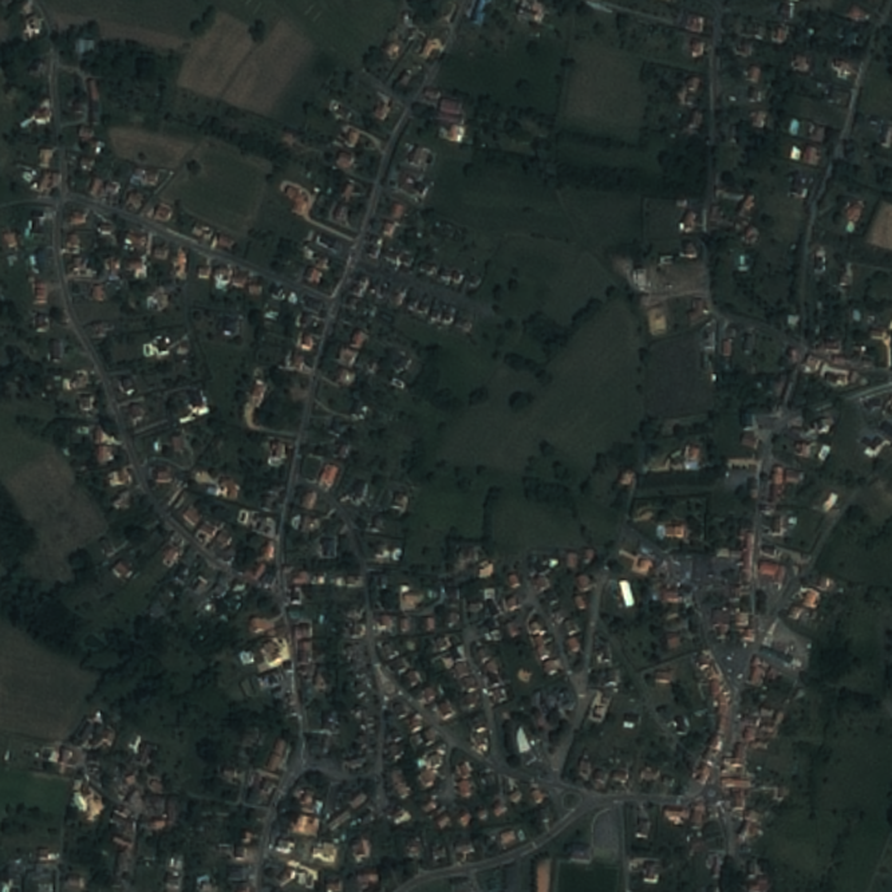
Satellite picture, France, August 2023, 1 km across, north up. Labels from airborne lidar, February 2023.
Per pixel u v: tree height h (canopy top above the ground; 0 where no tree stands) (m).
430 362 6
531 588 0
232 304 13
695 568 0
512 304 0
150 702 24
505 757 0
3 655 0
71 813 9
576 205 0
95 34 8
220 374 0
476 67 0
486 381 0
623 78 0
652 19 0
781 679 6
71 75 0
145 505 7
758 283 9
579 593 7
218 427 14
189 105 0
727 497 0
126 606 0
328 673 9
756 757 0
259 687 0
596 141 6
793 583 0
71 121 0
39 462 0
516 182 0
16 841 0
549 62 0
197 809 17
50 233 0
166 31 0
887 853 0
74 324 0
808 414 11
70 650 10
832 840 0
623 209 0
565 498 12
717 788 0
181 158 0
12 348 0
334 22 0
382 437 7
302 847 0
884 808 0
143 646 18
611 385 0
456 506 0
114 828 9
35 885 0
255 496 7
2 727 0
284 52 0
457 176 0
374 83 0
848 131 0
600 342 0
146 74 20
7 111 0
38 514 0
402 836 11
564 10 8
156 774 10
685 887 7
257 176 0
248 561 11
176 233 0
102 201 0
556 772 0
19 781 0
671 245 0
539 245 0
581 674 0
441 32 0
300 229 0
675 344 0
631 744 0
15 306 12
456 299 0
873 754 0
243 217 0
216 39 0
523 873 0
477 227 0
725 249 7
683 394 0
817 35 8
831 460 10
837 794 0
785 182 0
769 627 0
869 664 0
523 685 0
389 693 0
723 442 0
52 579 0
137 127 0
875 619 0
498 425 0
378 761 0
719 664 0
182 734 7
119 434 19
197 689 7
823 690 7
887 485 0
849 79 0
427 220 11
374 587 5
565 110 0
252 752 6
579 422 0
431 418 0
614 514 0
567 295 0
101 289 0
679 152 0
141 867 0
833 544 0
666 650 7
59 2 0
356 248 0
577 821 0
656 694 0
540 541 0
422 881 0
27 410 0
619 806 0
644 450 0
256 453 0
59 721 0
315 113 9
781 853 0
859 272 0
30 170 0
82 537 0
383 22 0
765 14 0
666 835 0
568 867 0
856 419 0
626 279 0
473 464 0
